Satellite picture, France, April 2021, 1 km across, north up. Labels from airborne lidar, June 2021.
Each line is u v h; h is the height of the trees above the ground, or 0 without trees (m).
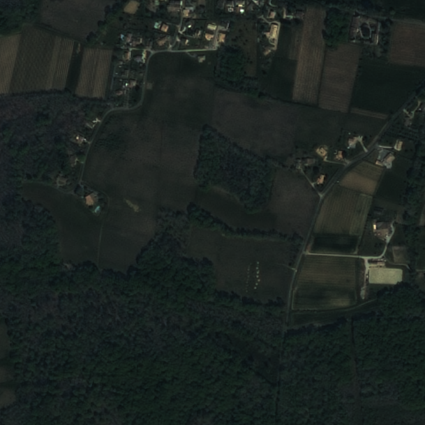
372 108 0
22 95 10
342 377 19
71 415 18
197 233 0
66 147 19
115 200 0
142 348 26
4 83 0
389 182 0
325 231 0
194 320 15
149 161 0
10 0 18
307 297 0
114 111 0
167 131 0
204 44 0
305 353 19
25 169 12
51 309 10
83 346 19
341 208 0
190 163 0
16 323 20
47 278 19
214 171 22
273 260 0
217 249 0
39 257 23
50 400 23
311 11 0
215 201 0
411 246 11
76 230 0
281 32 0
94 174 0
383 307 16
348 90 0
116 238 0
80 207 0
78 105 15
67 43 0
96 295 22
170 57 0
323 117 0
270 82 0
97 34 11
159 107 0
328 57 0
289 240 6
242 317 27
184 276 29
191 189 0
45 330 10
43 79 0
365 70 0
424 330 19
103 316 18
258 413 20
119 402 19
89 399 18
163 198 0
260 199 24
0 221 12
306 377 14
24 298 8
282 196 0
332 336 25
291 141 0
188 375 22
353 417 13
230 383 22
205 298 22
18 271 18
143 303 11
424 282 0
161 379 17
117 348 28
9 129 21
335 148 0
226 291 0
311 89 0
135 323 19
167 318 14
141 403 25
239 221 0
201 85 0
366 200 0
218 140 21
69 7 0
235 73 21
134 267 0
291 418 15
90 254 0
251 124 0
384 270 0
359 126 0
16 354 15
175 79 0
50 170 11
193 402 25
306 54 0
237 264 0
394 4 0
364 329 20
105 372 16
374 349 23
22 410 17
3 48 0
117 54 13
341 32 11
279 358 8
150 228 0
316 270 0
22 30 16
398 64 0
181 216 14
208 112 0
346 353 21
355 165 0
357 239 0
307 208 0
